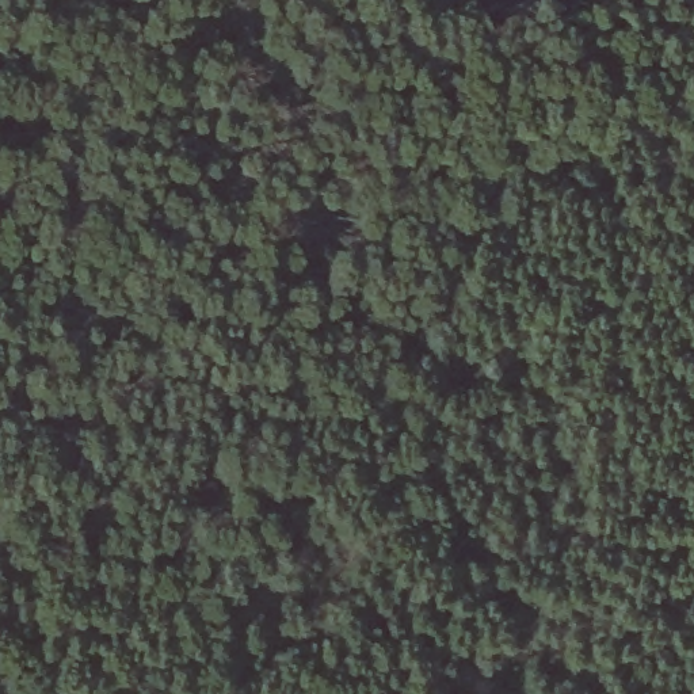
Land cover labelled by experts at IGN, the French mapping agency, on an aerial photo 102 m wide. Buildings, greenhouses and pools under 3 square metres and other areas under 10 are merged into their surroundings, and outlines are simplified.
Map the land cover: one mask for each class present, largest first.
<instances>
[{"label":"coniferous trees","instance_id":"1","mask_svg":"<svg viewBox=\"0 0 694 694\"><path fill-rule=\"evenodd\" d=\"M0 694H694V0H0Z\"/></svg>","mask_w":694,"mask_h":694}]
</instances>
